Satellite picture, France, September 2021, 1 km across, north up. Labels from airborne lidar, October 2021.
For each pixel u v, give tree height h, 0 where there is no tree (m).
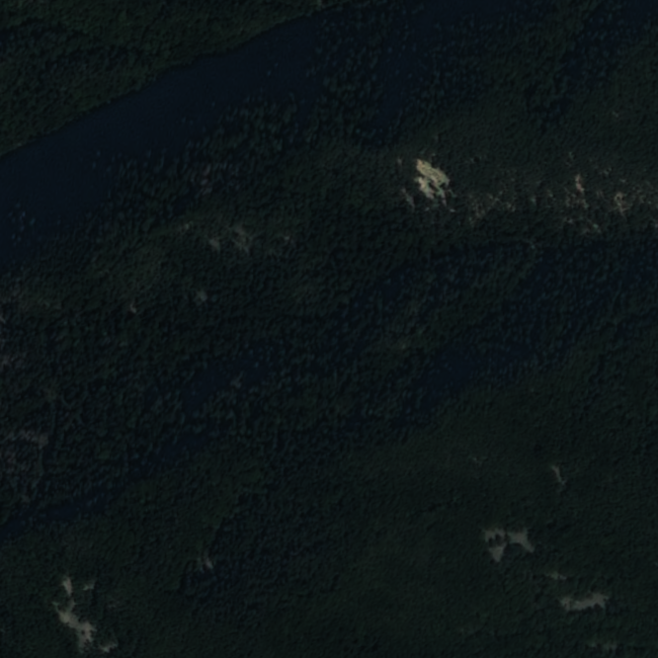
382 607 23
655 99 23
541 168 20
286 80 16
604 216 11
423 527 22
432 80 36
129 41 7
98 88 23
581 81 21
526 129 26
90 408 22
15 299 18
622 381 20
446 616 17
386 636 21
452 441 15
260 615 24
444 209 16
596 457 17
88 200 19
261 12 25
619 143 19
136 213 15
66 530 8
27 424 28
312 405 21
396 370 20
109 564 19
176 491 25
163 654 15
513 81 22
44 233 26
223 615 20
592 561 23
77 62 23
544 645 24
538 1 30
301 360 21
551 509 20
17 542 15
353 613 21
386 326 23
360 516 25
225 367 19
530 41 14
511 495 17
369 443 23
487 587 22
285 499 28
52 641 22
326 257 21
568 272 31
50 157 20
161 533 25
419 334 20
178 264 23
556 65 31
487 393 24
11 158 11
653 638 20
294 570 27
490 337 38
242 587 28
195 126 42
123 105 15
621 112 15
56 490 24
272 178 30
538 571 18
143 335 21
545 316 31
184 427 20
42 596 23
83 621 10
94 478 28
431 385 35
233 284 27
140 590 20
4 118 29
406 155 9
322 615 21
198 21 23
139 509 21
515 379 25
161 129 17
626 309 24
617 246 20
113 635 13
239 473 27
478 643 21
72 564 16
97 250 15
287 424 22
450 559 21
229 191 23
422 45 37
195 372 7
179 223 21
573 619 15
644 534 17
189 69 11
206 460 24
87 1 19
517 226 14
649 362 22
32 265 17
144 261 13
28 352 26
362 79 29
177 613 24
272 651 25
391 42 24
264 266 22
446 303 18
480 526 23
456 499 25
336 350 20
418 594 18
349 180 11
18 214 29
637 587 22
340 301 34
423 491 25
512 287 29
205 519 29
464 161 16
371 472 28
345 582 22
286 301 28
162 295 21
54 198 29
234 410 9
